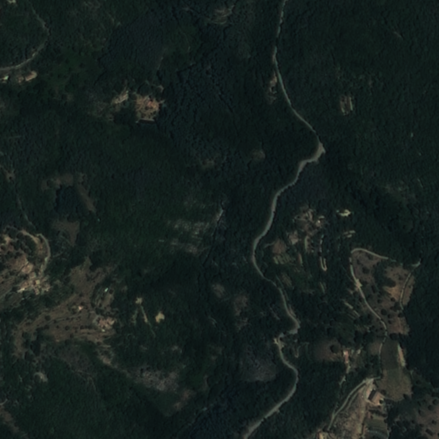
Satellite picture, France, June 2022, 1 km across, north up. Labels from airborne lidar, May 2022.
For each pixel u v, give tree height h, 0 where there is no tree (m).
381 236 15
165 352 8
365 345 8
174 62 7
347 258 10
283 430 8
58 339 0
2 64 7
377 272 7
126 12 12
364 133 9
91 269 14
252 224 11
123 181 17
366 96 18
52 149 18
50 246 5
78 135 11
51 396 10
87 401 8
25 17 10
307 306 12
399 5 10
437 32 13
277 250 0
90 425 13
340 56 16
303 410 8
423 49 12
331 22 10
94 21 8
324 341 0
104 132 8
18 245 17
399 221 27
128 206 12
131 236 8
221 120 16
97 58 10
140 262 8
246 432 21
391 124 16
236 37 13
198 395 9
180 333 14
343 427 0
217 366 14
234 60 19
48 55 8
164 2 20
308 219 6
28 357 15
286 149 9
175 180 15
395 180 10
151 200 18
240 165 35
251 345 10
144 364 9
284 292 8
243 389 24
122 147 13
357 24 14
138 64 21
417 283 10
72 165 6
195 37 8
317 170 17
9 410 10
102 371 8
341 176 13
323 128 12
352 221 12
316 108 13
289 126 9
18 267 0
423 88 13
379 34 19
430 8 16
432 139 17
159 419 22
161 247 10
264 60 7
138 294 11
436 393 16
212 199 8
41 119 17
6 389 11
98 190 6
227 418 29
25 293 8
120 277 9
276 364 19
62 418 13
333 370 7
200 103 32
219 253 11
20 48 10
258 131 17
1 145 12
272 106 8
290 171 11
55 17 15
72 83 12
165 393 0
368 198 23
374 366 9
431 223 10
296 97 14
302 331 19
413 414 0
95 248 11
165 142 19
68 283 9
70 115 19
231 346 11
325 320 17
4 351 7
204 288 11
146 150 11
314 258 7
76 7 8
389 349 0
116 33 23
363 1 17
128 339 7
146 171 21
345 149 20
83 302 9
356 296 18
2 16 11
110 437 12
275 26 8
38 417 16
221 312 17
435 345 10
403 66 11
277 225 14
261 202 10
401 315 13
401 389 0
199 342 16
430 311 8
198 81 35
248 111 11
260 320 6
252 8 13
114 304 11
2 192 16
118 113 14
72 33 9
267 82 7
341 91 12
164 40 33
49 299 7
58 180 0
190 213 11
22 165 12
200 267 15
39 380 8
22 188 11
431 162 15
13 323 10
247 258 10
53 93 10
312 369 18
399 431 12
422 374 15
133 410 18
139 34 26
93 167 7
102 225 12
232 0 29
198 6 30
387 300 0
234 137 12
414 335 17
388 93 15
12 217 23
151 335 13
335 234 12
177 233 10
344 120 10
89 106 7
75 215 14
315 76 12
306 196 19
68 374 11
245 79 22
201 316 22
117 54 32
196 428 15
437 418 0
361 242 12
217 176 21
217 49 28
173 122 30
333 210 12
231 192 7
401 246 18
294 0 9
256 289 12
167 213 15
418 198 15
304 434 6
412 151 13
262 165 16
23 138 8
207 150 26
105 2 8
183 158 9
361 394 0
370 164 9
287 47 14
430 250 11
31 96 17
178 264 21
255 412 11
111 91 20
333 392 10
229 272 10
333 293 11
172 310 13
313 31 15
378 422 0
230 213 11
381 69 17
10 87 11
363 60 18
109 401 12
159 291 11
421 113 14
